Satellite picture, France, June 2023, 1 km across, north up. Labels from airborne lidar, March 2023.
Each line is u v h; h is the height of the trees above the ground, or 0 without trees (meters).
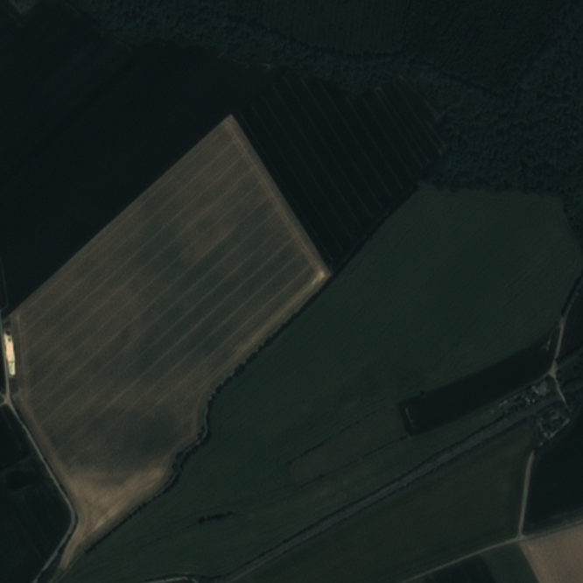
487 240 0
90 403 0
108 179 0
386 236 0
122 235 0
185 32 19
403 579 0
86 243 0
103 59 0
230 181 0
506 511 0
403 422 0
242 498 0
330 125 0
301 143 0
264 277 0
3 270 0
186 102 0
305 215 0
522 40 8
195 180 0
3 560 0
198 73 0
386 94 0
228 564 0
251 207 0
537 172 21
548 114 22
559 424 12
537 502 0
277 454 0
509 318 0
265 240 0
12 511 0
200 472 0
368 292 0
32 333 0
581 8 25
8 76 0
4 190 0
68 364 0
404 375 0
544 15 10
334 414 0
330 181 0
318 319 0
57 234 0
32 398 0
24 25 0
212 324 0
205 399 0
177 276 0
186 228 0
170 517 0
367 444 0
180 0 25
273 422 0
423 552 0
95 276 0
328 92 0
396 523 0
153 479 0
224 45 12
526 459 0
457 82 21
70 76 0
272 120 0
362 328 0
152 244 0
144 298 0
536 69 22
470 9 8
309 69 18
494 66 8
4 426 0
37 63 0
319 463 0
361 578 0
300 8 0
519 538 0
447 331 0
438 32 14
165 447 0
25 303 0
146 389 0
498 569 0
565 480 0
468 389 0
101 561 0
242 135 0
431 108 0
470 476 0
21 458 6
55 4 0
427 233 0
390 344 0
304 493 0
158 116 0
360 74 18
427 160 0
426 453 0
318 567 0
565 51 19
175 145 0
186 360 0
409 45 12
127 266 0
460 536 0
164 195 0
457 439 0
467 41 9
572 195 14
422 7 13
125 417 0
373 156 0
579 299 0
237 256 0
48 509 0
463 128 8
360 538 0
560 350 0
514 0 7
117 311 0
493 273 0
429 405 0
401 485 0
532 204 0
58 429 0
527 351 0
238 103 0
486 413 0
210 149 0
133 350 0
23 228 0
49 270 0
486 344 0
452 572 0
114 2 20
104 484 0
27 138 0
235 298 0
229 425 0
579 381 13
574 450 0
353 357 0
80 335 0
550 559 0
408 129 0
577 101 23
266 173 0
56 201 0
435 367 0
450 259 0
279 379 0
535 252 0
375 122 0
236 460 0
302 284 0
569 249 0
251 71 0
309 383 0
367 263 0
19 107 0
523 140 22
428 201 0
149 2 28
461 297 0
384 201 0
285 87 0
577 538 0
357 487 0
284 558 0
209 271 0
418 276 0
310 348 0
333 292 0
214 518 8
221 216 0
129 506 0
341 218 0
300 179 0
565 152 25
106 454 0
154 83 0
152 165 0
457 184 21
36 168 0
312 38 0
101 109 0
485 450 0
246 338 0
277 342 0
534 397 7
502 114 19
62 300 0
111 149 0
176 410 0
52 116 0
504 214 0
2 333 0
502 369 0
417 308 0
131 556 0
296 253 0
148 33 19
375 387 0
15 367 0
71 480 0
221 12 23
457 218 0
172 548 0
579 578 0
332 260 0
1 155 0
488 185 17
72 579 0
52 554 0
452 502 0
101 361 0
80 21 0
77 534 0
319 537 0
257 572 0
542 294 0
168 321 0
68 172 0
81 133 0
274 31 20
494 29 8
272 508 0
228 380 10
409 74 13
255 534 0
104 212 0
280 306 0
